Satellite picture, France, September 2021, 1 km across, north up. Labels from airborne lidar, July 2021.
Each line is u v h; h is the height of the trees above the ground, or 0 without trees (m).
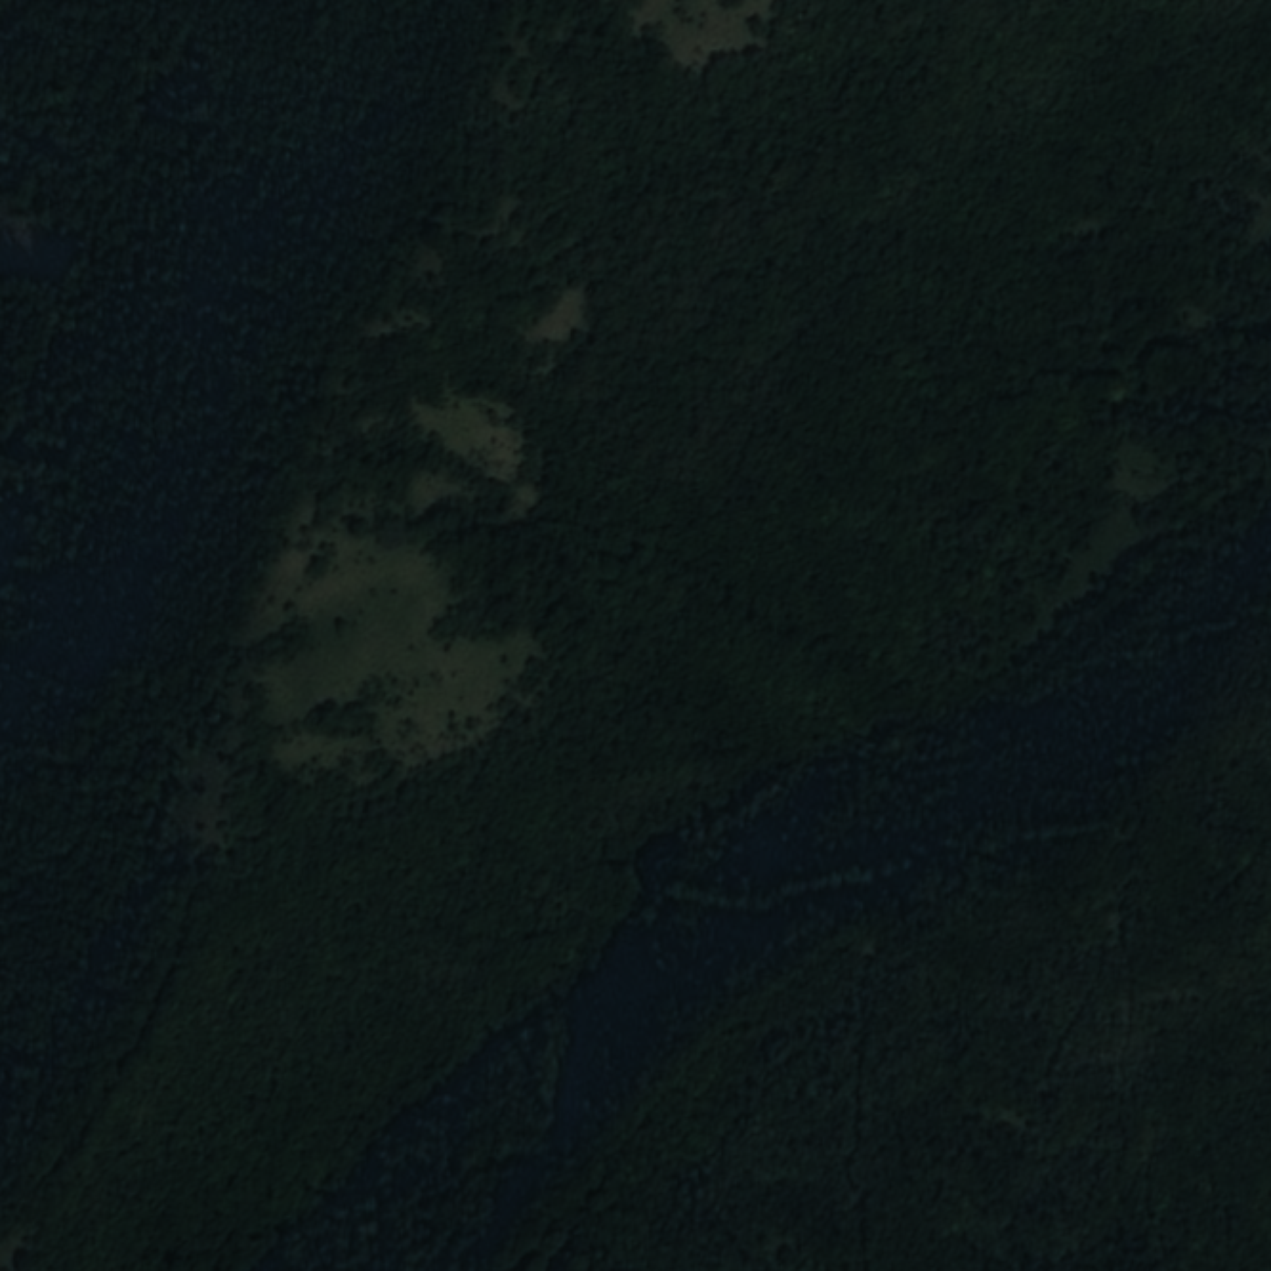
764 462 21
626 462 17
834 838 18
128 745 17
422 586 0
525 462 6
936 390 17
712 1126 14
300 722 7
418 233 8
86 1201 14
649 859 14
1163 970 11
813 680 25
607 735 30
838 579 22
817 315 23
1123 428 23
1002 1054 12
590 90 15
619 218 22
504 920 23
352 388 8
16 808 23
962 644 16
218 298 19
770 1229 10
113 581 26
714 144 22
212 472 23
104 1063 14
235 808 9
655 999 22
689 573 28
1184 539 13
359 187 24
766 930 22
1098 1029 14
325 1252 17
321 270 25
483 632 11
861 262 24
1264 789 11
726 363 19
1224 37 18
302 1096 28
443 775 13
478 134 10
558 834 15
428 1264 20
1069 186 24
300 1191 23
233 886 19
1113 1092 12
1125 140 20
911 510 24
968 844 15
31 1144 22
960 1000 15
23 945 21
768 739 27
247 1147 23
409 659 0
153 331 20
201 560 31
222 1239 26
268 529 16
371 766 8
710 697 23
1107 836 13
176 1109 12
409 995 23
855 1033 16
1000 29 19
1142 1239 14
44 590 23
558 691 14
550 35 12
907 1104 13
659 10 0
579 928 26
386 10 24
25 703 23
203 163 16
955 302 18
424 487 0
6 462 26
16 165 27
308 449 12
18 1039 19
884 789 20
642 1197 14
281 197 23
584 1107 36
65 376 26
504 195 12
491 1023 23
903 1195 12
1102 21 20
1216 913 13
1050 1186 17
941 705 18
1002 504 18
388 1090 26
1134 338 25
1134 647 12
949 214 20
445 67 24
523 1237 24
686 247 15
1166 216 21
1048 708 18
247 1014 16
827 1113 13
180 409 28
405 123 24
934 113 15
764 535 18
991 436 25
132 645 20
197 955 15
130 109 27
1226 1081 18
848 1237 13
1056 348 18
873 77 24
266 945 16
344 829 20
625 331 17
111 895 17
